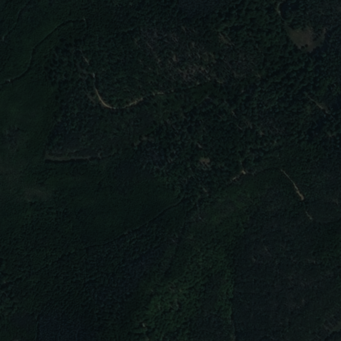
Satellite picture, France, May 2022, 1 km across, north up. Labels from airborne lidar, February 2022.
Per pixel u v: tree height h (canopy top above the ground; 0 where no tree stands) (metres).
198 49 23
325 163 23
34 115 0
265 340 18
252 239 23
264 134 26
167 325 33
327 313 23
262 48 29
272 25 34
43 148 18
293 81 37
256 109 23
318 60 35
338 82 32
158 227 21
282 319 17
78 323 24
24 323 15
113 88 24
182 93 6
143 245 26
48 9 0
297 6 24
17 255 23
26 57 0
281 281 20
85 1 17
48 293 21
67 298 26
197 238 19
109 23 0
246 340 22
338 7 26
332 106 6
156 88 26
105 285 24
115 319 28
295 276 20
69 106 9
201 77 25
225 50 28
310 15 28
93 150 10
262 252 18
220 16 33
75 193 0
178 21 23
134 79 23
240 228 26
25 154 0
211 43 25
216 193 21
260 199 26
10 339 15
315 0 26
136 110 8
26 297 22
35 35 0
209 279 24
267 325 18
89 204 0
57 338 26
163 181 0
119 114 11
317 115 7
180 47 23
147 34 25
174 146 24
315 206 21
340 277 30
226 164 28
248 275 26
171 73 25
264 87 27
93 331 18
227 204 21
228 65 25
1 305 14
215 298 18
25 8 15
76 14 0
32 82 0
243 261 26
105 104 0
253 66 25
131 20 25
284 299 21
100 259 29
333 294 22
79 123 10
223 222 0
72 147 8
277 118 22
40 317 21
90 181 0
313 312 22
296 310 20
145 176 18
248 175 12
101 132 10
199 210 19
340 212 22
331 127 39
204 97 8
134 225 0
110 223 0
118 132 10
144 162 8
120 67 27
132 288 21
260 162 17
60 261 24
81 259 23
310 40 0
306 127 7
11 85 0
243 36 30
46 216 0
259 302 20
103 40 21
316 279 19
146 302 34
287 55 36
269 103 31
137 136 11
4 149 0
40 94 0
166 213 0
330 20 28
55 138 26
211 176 28
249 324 20
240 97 29
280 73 37
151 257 28
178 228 19
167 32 22
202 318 21
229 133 31
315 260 21
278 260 18
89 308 25
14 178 0
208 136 28
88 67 26
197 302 26
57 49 26
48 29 0
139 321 32
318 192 22
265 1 30
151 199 0
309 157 23
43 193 0
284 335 21
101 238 0
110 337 22
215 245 25
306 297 18
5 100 0
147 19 25
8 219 0
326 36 0
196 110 28
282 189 25
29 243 23
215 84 29
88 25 21
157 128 7
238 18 40
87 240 22
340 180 22
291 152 18
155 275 26
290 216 24
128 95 25
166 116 0
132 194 0
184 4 22
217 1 22
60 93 9
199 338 20
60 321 27
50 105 22
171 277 27
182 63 24
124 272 21
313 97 35
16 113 0
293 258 20
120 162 22
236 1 33
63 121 8
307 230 17
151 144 8
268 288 21
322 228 22
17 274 22
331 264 20
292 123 26
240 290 24
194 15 23
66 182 0
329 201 20
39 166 0
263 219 21
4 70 0
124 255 31
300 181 21
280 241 23
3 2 0
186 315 29
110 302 26
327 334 11
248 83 29
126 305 28
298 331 23
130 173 16
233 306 25
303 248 17
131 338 35
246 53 22
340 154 30
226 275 26
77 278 23
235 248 25
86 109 9
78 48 24
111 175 18
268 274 22
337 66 28
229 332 30
